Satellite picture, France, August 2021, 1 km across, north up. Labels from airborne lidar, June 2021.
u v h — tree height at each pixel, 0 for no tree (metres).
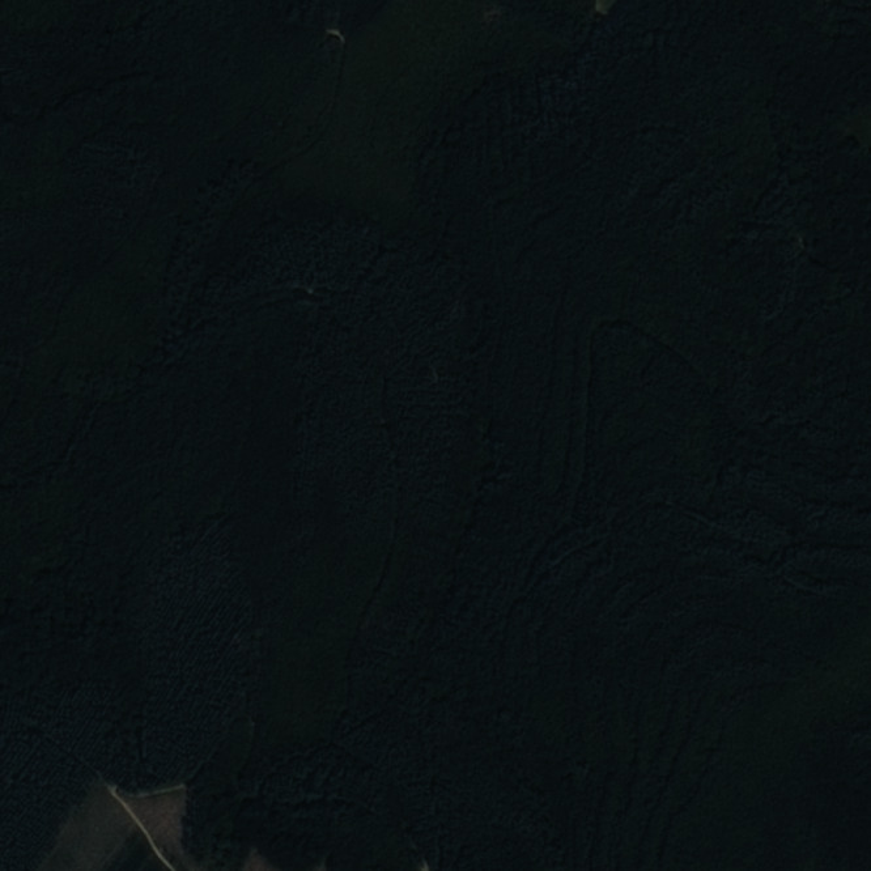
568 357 15
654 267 22
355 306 22
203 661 13
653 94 14
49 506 25
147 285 14
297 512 14
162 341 15
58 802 24
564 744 15
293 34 14
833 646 17
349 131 12
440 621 15
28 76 23
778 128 22
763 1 20
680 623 17
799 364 24
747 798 15
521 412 14
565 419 16
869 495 24
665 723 15
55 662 26
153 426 24
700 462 20
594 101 22
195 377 29
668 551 19
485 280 15
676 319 20
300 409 14
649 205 23
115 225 19
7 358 21
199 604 14
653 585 21
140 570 17
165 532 16
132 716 21
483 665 16
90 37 23
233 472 21
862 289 9
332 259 17
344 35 8
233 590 17
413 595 19
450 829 18
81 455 27
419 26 15
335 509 14
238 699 13
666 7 16
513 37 21
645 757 15
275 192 18
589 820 16
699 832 15
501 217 15
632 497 17
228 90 16
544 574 10
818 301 20
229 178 27
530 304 18
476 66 27
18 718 19
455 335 15
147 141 22
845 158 25
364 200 14
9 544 24
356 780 21
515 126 23
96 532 28
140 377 24
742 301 22
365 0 11
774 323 21
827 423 24
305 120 7
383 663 19
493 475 16
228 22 19
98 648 21
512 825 12
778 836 17
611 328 18
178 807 0
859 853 23
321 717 8
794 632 21
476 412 17
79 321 16
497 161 24
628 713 16
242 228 18
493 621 17
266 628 11
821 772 24
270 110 10
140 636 20
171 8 18
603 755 14
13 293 18
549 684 20
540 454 18
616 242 19
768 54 16
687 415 19
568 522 15
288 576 11
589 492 21
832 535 26
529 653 17
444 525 19
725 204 22
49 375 18
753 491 24
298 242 21
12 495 27
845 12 14
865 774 30
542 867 18
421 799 23
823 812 20
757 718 16
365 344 14
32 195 16
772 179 22
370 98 12
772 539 29
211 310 19
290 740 14
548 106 26
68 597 18
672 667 17
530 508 18
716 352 25
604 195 13
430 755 15
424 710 23
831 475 21
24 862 18
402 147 15
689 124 20
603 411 14
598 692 16
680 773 14
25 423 16
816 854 14
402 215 16
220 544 9
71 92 18
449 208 16
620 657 17
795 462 24
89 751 24
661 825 16
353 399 19
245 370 24
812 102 27
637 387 14
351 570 15
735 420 16
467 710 23
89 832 0
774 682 15
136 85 21
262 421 15
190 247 29
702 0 16
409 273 18
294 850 21
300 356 18
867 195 6
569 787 16
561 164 20
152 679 23
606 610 19
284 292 15
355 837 23
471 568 18
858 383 25
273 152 10
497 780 14
